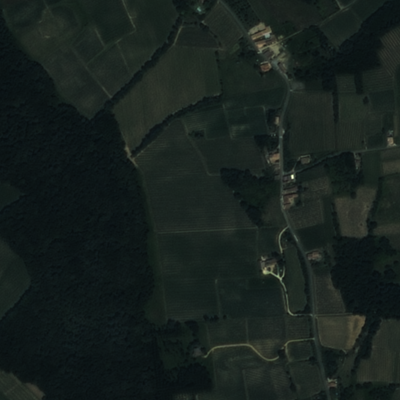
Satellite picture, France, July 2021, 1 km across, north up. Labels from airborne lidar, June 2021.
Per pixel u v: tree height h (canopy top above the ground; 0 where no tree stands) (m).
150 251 0
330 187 0
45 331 13
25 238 20
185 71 0
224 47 0
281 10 0
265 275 0
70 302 15
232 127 0
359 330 0
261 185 8
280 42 0
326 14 0
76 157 19
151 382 24
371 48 14
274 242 0
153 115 0
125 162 18
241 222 0
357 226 0
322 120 0
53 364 16
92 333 20
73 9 0
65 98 0
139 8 0
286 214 0
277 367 0
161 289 0
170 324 14
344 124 0
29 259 20
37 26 0
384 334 0
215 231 0
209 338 0
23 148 20
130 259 23
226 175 16
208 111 0
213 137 0
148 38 0
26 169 23
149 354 17
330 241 0
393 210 0
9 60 23
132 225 26
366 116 0
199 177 0
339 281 12
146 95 0
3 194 0
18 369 18
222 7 0
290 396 0
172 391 21
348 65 15
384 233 0
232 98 0
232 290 0
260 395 0
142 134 0
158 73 0
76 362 24
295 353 0
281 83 0
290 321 0
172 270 0
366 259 18
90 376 19
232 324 0
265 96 0
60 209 26
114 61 0
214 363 0
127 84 10
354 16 0
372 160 0
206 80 0
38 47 0
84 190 23
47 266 24
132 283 26
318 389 0
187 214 0
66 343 23
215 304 0
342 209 0
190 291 0
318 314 0
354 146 0
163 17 0
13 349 23
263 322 0
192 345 8
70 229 26
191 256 0
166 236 0
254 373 0
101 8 0
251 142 0
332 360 8
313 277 0
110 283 29
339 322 0
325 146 0
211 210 0
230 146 0
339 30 0
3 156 19
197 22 8
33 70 29
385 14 20
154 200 0
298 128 0
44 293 19
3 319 14
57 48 0
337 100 11
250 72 0
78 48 0
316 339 0
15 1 0
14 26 0
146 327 12
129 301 18
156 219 0
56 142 24
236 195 15
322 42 10
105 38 0
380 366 0
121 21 0
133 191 23
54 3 0
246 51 6
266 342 0
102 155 21
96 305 13
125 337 21
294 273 0
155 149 0
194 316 0
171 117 13
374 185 0
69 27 0
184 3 11
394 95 0
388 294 24
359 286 13
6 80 15
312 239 0
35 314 18
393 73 0
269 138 13
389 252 16
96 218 26
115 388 23
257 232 0
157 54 14
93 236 27
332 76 18
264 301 0
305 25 0
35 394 0
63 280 26
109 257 25
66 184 22
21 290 0
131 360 22
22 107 15
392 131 0
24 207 16
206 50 0
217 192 0
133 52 0
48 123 15
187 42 0
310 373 0
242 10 9
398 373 0
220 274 0
